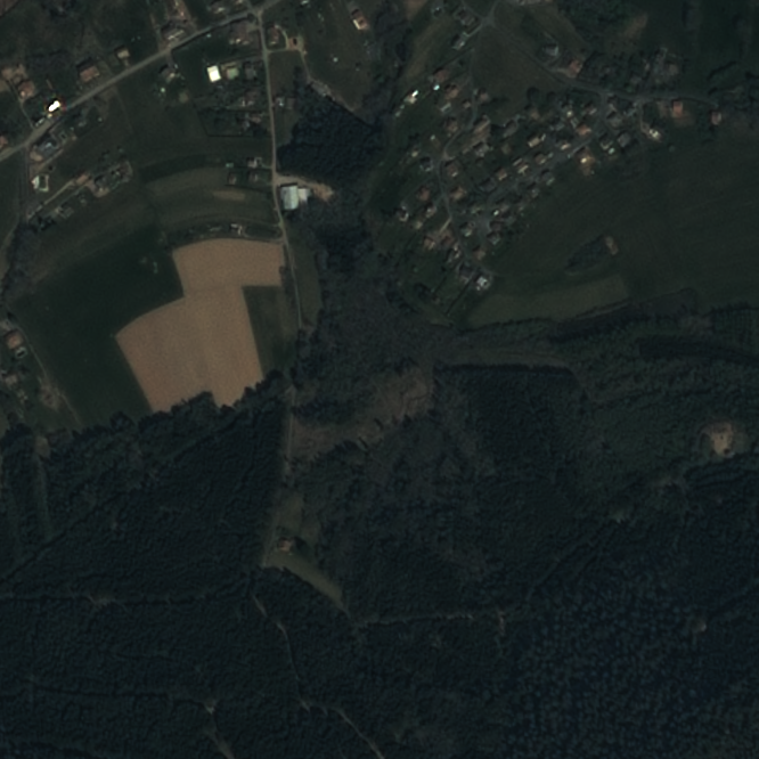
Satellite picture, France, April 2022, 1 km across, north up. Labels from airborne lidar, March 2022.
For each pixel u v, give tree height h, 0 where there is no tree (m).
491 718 20
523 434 21
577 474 26
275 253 0
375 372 9
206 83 0
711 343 8
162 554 24
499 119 0
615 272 0
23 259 26
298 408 0
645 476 15
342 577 13
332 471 8
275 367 0
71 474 20
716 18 0
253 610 20
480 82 0
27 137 0
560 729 28
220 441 22
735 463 15
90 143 0
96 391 0
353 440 0
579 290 0
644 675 30
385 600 14
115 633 20
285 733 24
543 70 0
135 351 0
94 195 0
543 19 0
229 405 0
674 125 0
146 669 14
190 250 0
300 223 26
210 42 0
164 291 0
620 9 8
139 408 0
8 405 16
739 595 17
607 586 8
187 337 0
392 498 22
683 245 0
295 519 0
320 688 27
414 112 0
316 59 0
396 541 18
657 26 0
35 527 19
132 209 0
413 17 0
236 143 0
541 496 23
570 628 27
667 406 13
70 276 0
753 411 15
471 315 0
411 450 15
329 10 0
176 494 18
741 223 0
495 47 0
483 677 13
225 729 21
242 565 20
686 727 34
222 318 0
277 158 0
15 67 0
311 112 8
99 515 22
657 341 6
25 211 0
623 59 9
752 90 8
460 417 24
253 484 25
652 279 0
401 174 0
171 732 19
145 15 0
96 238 0
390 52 11
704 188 0
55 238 0
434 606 11
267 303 0
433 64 0
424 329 10
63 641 19
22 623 20
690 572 10
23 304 0
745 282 0
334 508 10
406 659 20
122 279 0
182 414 19
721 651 13
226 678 15
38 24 0
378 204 0
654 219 0
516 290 0
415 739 20
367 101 14
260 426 22
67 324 0
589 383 12
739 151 0
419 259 8
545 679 34
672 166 0
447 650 17
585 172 0
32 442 30
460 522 23
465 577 15
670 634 27
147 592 25
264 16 0
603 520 19
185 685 16
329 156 25
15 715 21
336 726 20
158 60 0
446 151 0
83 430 0
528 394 15
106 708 22
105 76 0
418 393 0
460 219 0
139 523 18
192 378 0
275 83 0
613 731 30
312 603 24
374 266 25
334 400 17
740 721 27
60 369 0
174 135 0
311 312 0
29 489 16
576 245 0
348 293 17
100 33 0
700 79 0
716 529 18
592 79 9
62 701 21
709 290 0
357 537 15
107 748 16
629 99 0
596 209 0
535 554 10
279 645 13
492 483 21
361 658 18
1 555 19
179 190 0
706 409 11
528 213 0
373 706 29
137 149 0
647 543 10
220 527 22
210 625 14
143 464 24
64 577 18
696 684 12
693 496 14
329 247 12
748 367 9
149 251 0
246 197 0
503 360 0
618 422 14
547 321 7
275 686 18
